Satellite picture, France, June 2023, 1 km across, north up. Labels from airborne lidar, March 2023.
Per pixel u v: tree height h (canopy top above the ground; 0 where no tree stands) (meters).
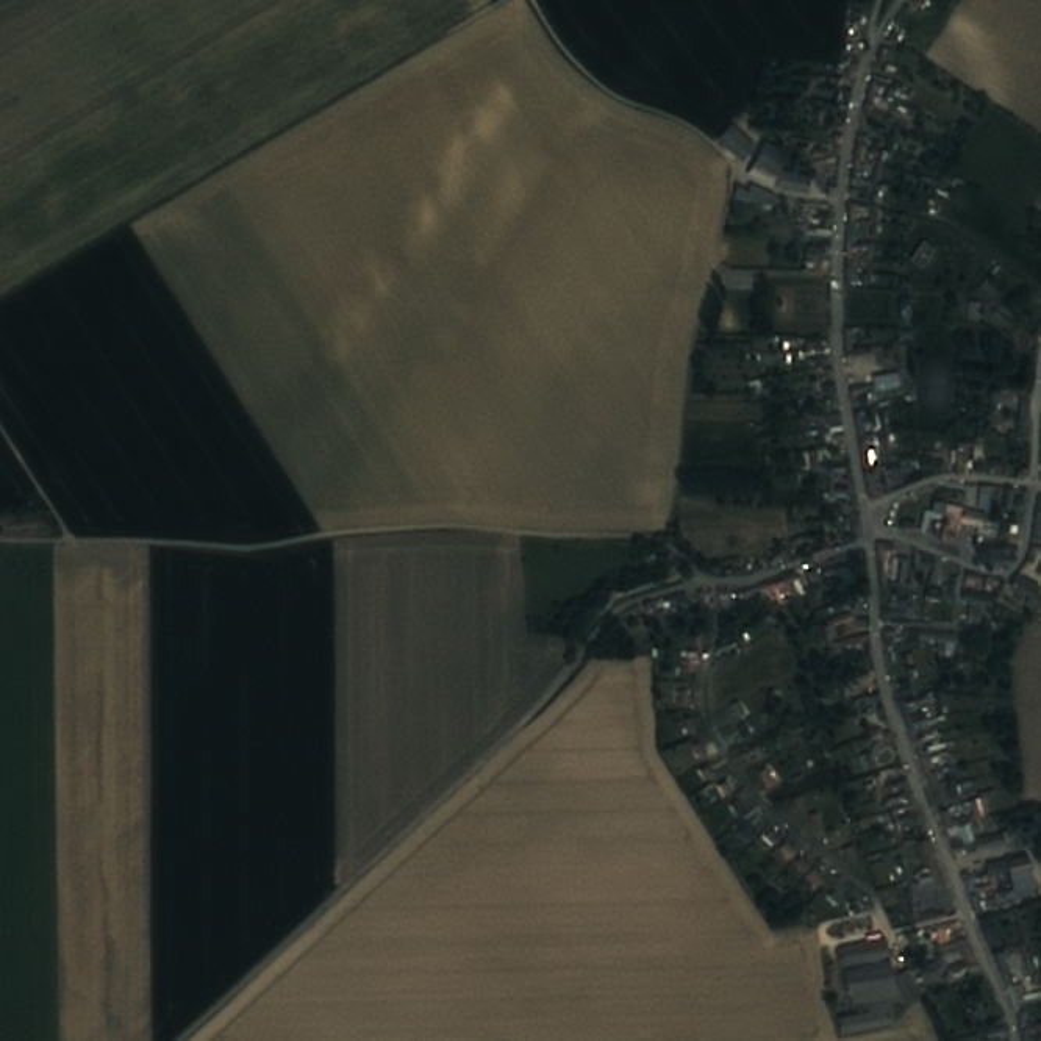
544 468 0
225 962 0
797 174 0
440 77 0
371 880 0
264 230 0
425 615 0
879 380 0
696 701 0
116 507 0
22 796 0
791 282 0
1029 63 0
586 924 0
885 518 0
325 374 0
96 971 0
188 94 0
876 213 0
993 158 0
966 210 0
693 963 0
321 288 0
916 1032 0
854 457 0
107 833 0
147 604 0
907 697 0
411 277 0
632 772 0
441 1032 0
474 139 0
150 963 0
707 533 0
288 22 0
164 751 0
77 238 0
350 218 0
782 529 0
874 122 12
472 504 0
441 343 0
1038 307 0
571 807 0
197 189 0
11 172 0
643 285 0
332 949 0
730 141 0
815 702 11
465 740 0
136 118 0
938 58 0
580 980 0
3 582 0
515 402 0
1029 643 0
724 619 9
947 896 0
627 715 0
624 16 0
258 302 0
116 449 0
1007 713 8
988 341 19
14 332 0
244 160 0
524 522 0
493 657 0
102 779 0
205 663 0
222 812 0
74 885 0
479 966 0
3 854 0
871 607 0
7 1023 0
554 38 0
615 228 0
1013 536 0
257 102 0
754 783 0
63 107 0
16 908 0
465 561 0
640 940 0
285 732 0
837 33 0
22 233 0
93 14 0
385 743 0
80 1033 0
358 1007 0
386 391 0
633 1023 0
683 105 0
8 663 0
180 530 0
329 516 0
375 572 0
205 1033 0
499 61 0
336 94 0
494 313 0
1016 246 0
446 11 0
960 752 0
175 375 0
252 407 0
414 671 0
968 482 0
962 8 0
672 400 0
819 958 0
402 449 0
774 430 8
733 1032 0
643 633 0
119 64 0
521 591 0
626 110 0
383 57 0
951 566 0
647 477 0
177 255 0
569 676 0
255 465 0
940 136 8
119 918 0
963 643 14
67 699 0
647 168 0
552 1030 0
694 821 0
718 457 0
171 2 0
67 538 0
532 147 0
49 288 0
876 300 0
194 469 0
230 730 0
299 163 0
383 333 0
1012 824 13
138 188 0
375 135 0
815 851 0
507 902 0
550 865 0
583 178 0
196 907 0
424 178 0
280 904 0
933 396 0
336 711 0
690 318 0
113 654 0
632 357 0
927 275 0
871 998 0
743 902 0
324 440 0
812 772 0
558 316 0
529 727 0
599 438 0
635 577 12
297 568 0
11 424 0
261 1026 0
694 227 0
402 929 0
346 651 0
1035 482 0
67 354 0
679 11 0
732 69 0
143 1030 0
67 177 0
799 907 9
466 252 0
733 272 0
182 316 0
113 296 0
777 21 0
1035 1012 0
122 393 0
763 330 13
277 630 0
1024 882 0
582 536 0
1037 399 0
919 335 0
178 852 0
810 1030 0
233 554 0
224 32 0
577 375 0
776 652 0
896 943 0
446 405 0
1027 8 0
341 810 0
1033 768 0
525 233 0
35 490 0
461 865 0
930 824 0
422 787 0
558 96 0
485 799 0
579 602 7
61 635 0
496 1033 0
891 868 0
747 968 0
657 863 0
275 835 0
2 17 0
